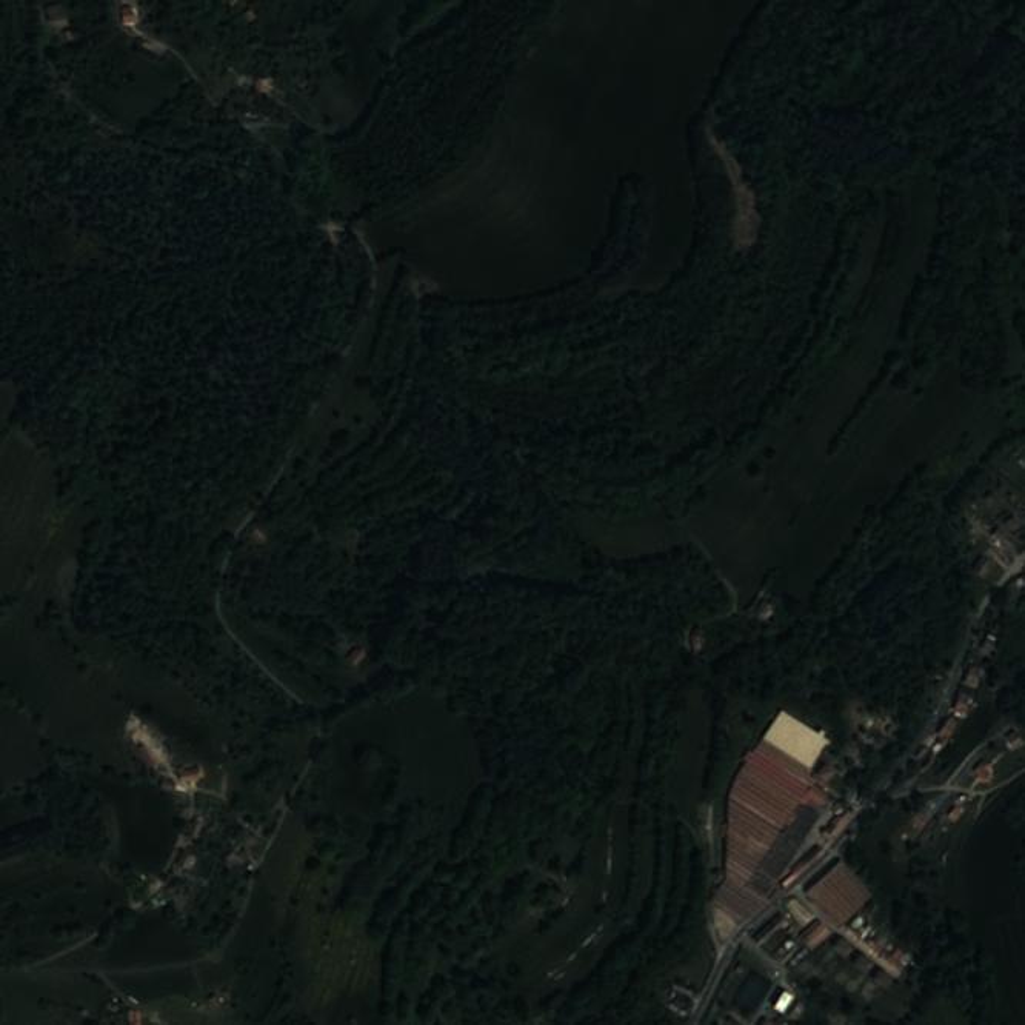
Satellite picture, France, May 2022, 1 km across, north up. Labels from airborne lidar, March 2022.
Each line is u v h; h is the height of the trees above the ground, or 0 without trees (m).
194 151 12
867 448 0
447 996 21
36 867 0
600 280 20
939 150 15
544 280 0
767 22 14
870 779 19
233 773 0
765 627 10
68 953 0
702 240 21
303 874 0
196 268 11
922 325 24
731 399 9
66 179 10
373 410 0
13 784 0
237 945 0
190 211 14
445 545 31
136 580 7
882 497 0
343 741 0
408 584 25
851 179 23
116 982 0
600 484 31
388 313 9
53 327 12
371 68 0
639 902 0
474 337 19
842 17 17
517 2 12
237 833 13
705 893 17
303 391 17
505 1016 32
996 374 18
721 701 13
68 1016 0
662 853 11
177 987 0
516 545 31
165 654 11
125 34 0
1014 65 29
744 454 14
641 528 0
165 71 0
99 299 10
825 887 0
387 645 27
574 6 0
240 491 11
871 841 0
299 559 21
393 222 0
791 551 0
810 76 29
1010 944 0
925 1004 20
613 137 0
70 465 9
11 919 15
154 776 9
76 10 7
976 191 30
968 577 20
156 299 7
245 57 5
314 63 9
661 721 12
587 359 25
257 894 0
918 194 0
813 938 0
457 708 12
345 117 0
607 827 0
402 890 19
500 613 35
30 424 25
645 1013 7
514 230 0
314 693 0
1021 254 16
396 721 0
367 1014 0
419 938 24
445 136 8
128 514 13
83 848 15
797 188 26
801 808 0
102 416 29
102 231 11
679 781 0
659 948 24
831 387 0
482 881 22
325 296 20
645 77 0
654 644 30
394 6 0
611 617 31
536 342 24
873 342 0
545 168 0
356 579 6
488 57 12
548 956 0
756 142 28
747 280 23
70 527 0
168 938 0
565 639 27
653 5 0
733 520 0
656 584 23
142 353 9
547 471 28
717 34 0
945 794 0
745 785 0
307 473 15
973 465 0
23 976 0
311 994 0
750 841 0
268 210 8
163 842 0
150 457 22
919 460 0
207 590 8
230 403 29
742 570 0
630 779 0
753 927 0
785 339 10
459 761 0
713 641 0
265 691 22
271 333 36
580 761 27
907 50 27
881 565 16
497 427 8
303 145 21
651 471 27
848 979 0
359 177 13
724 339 22
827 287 19
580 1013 19
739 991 0
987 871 0
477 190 0
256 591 25
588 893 0
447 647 33
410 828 27
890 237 8
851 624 24
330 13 11
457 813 0
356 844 23
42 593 0
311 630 20
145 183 13
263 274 12
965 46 16
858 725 0
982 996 18
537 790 25
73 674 0
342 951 0
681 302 13
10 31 9
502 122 0
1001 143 34
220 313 15
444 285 0
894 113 18
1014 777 0
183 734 0
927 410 0
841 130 34
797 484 0
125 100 0
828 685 15
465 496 19
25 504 0
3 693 13
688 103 0
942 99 26
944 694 0
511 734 17
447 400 27
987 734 0
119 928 17
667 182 0
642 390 22
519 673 30
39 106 26
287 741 16
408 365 19
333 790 0
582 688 31
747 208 0
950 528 18
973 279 12
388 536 17
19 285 13
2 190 0
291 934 0
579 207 0
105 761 0
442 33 11
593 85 0
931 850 0
